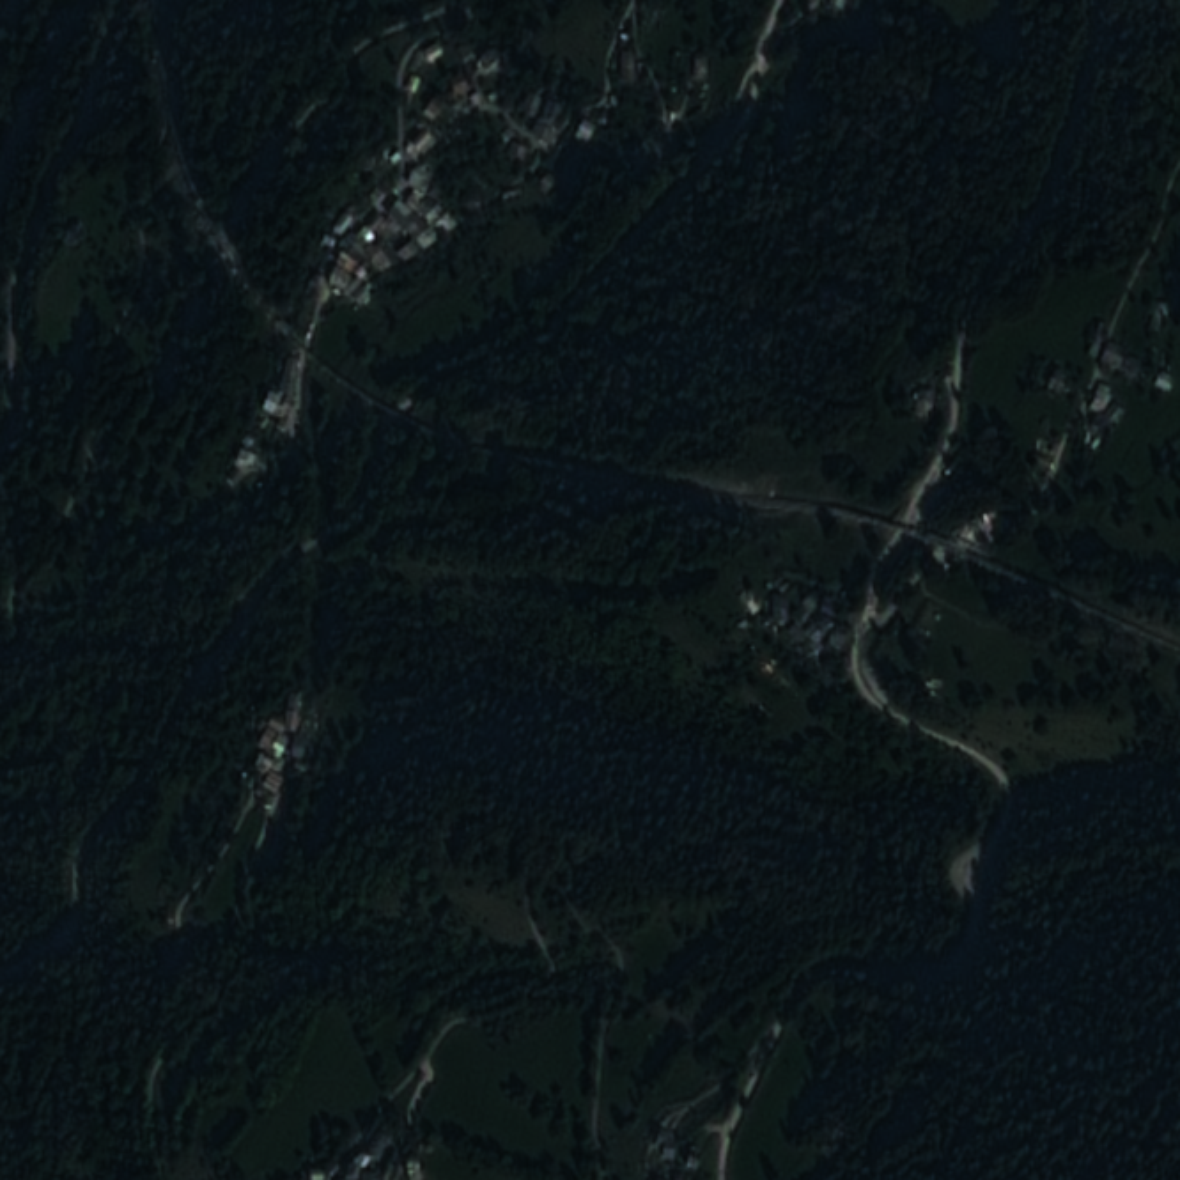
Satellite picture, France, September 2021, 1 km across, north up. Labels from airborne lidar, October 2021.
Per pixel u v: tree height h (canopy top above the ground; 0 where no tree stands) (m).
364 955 19
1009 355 0
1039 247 28
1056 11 24
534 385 24
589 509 21
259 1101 13
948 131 24
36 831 13
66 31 9
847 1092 22
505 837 20
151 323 21
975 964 26
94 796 21
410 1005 20
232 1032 11
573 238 17
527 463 8
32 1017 21
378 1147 0
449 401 24
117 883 7
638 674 19
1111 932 20
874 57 29
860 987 22
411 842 20
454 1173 0
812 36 0
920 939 25
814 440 18
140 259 7
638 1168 0
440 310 0
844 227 24
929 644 0
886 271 27
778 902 22
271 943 19
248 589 13
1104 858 25
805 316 31
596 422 27
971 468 9
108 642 15
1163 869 28
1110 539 0
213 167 19
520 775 27
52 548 18
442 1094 0
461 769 20
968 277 24
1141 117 29
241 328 24
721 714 11
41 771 14
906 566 14
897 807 26
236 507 14
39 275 11
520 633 25
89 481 6
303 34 24
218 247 8
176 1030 18
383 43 7
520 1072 0
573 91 11
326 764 8
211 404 20
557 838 22
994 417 0
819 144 24
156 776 27
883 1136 8
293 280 8
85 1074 17
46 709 17
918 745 19
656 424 23
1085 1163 26
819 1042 13
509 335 19
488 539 25
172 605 18
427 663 25
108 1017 16
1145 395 8
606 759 20
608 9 9
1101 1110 31
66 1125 20
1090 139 25
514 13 20
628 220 22
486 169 6
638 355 11
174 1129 11
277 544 16
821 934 22
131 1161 19
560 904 9
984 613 0
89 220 0
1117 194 25
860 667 0
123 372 24
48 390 30
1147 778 15
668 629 0
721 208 15
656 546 25
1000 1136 27
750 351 32
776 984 19
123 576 21
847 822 20
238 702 6
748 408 19
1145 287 0
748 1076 10
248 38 28
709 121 0
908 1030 22
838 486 14
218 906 0
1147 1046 14
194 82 24
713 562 19
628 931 8
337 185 6
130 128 29
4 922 26
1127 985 29
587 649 18
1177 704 0
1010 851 15
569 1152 0
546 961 12
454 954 23
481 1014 11
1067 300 0
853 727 16
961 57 27
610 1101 0
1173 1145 20
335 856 15
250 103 17
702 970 17
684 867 23
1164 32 21
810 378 21
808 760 18
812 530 0
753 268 25
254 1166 0
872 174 28
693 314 35
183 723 24
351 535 17
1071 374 6
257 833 0
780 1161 0
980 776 18
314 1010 10
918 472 9
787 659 8
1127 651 24
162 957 11
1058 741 0
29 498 17
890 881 25
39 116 22
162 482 14
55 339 0
